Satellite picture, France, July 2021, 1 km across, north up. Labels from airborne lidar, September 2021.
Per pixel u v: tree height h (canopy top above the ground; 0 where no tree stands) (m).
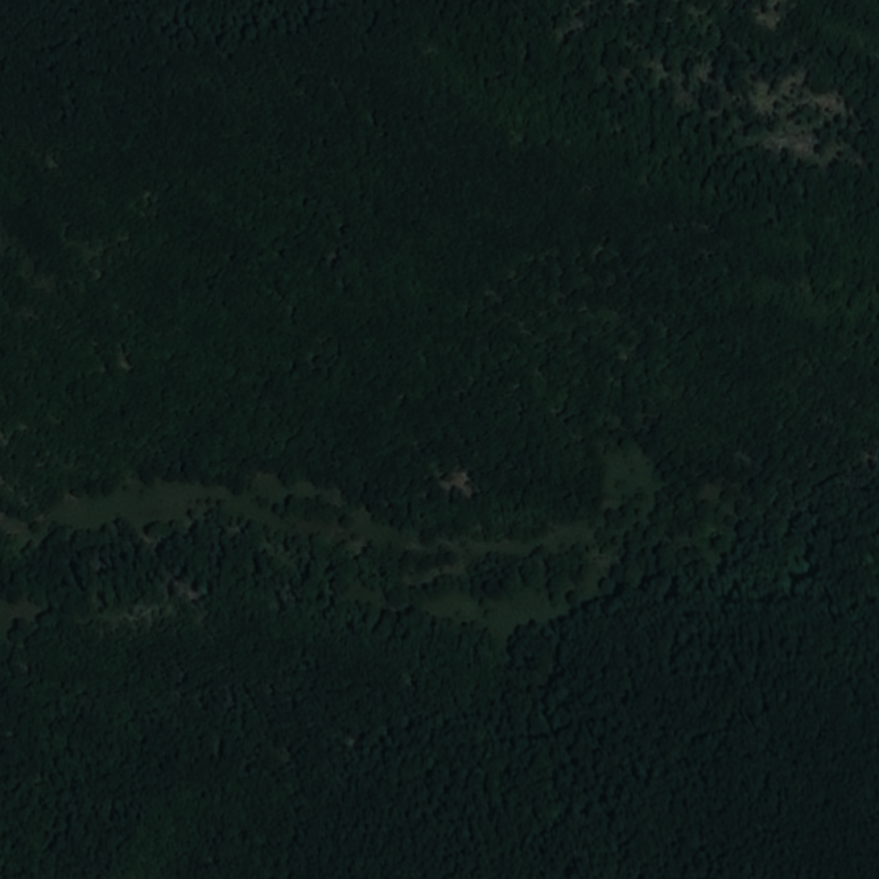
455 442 29
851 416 25
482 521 12
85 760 19
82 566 31
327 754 24
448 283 20
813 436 23
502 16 15
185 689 28
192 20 28
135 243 16
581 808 26
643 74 34
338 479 26
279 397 25
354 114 24
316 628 22
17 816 15
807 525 28
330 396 22
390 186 23
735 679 29
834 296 21
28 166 15
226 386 17
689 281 22
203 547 28
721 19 18
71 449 18
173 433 9
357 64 20
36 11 29
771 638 22
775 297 10
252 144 21
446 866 20
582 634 23
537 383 23
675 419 17
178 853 19
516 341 21
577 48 32
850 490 29
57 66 26
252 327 19
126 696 25
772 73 31
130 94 20
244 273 26
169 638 20
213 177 22
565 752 24
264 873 21
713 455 16
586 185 24
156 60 27
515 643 14
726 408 16
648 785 18
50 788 19
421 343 22
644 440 18
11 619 0
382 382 23
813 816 25
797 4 19
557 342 17
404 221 21
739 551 22
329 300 25
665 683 28
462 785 25
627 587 10
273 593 30
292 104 24
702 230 22
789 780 27
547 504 19
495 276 20
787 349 18
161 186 20
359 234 27
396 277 20
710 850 24
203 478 24
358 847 18
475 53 15
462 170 24
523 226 24
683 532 13
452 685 29
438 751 26
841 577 32
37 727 19
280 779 28
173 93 18
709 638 24
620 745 27
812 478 30
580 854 25
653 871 31
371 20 28
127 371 17
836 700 24
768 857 27
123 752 24
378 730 31
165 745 18
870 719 24
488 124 16
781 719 28
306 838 20
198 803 23
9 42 27
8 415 21
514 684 30
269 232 28
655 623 28
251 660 20
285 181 25
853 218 20
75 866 16
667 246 28
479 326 17
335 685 27
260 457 26
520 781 28
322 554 26
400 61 21
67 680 23
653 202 22
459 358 20
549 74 27
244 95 23
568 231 23
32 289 16
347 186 27
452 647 29
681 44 27
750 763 27
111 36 25
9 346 21
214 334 18
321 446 26
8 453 19
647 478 0
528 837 20
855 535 33
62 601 27
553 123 16
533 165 23
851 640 30
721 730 27
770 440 22
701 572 27
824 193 26
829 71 22
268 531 13
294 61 22
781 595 33
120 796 26
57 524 10
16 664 24
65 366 17
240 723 22
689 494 19
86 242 13
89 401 28
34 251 15
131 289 22
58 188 15
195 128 22
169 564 26
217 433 24
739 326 24
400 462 24
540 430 26
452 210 24
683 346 9
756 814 31
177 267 18
